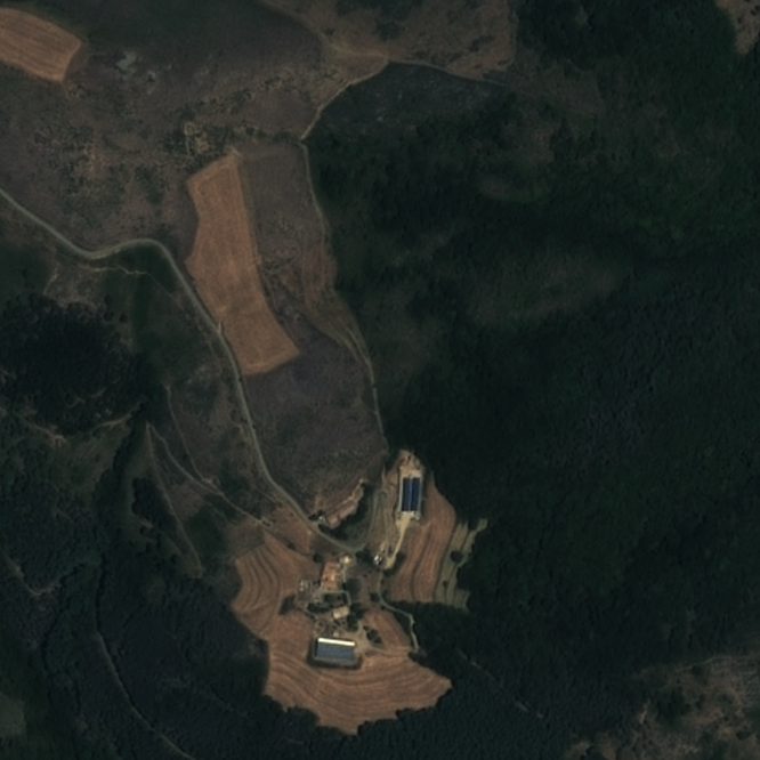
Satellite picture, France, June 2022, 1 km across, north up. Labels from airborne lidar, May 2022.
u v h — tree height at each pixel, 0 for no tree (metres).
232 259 0
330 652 0
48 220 0
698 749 0
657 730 0
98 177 0
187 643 7
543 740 30
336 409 0
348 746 23
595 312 19
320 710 0
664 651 11
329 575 0
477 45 0
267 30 0
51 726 14
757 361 11
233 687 9
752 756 0
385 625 0
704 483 18
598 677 16
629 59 7
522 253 6
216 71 0
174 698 18
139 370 18
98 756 14
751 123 17
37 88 0
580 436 9
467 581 16
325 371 0
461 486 13
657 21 10
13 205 0
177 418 0
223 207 0
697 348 10
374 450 0
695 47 15
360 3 0
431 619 18
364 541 0
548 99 6
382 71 0
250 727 18
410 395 8
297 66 0
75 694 8
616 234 16
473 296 7
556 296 8
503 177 5
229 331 0
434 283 7
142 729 20
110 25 0
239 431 0
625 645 13
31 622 20
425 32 0
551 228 18
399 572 0
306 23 0
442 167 11
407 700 0
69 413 8
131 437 15
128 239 0
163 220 0
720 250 23
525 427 15
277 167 0
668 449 24
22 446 9
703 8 18
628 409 8
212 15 0
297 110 0
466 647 19
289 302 0
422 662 12
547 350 28
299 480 0
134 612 13
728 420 21
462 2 0
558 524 15
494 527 9
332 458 0
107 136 0
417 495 0
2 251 0
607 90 10
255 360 0
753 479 25
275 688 0
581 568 24
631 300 22
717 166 8
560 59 9
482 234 13
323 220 0
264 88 0
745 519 16
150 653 18
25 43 0
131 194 0
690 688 0
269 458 0
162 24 0
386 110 0
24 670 10
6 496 10
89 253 0
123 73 0
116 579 18
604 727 13
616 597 19
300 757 18
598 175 13
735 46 18
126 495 0
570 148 12
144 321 0
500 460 15
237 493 0
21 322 9
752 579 10
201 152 0
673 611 13
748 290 9
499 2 0
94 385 16
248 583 0
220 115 0
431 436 15
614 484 17
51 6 0
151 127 0
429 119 9
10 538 18
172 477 0
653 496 22
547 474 6
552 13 21
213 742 16
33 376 9
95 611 20
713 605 13
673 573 17
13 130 0
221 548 0
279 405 0
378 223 9
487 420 20
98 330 9
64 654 36
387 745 26
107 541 34
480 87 0
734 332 7
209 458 0
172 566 7
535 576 20
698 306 10
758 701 0
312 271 0
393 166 12
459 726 32
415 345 0
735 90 13
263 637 0
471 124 7
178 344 0
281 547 0
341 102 0
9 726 0
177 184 0
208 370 0
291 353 0
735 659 0
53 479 6
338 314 0
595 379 10
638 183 14
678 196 6
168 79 0
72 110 0
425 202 15
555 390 13
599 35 21
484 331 15
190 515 0
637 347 10
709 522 30
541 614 19
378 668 0
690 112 12
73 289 0
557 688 19
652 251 12
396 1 0
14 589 16
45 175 0
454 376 6
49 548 17
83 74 0
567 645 18
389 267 9
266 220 0
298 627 0
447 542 0
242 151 0
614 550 17
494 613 16
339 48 0
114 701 18
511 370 23
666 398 6
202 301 0
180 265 0
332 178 16
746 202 23
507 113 11
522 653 15
